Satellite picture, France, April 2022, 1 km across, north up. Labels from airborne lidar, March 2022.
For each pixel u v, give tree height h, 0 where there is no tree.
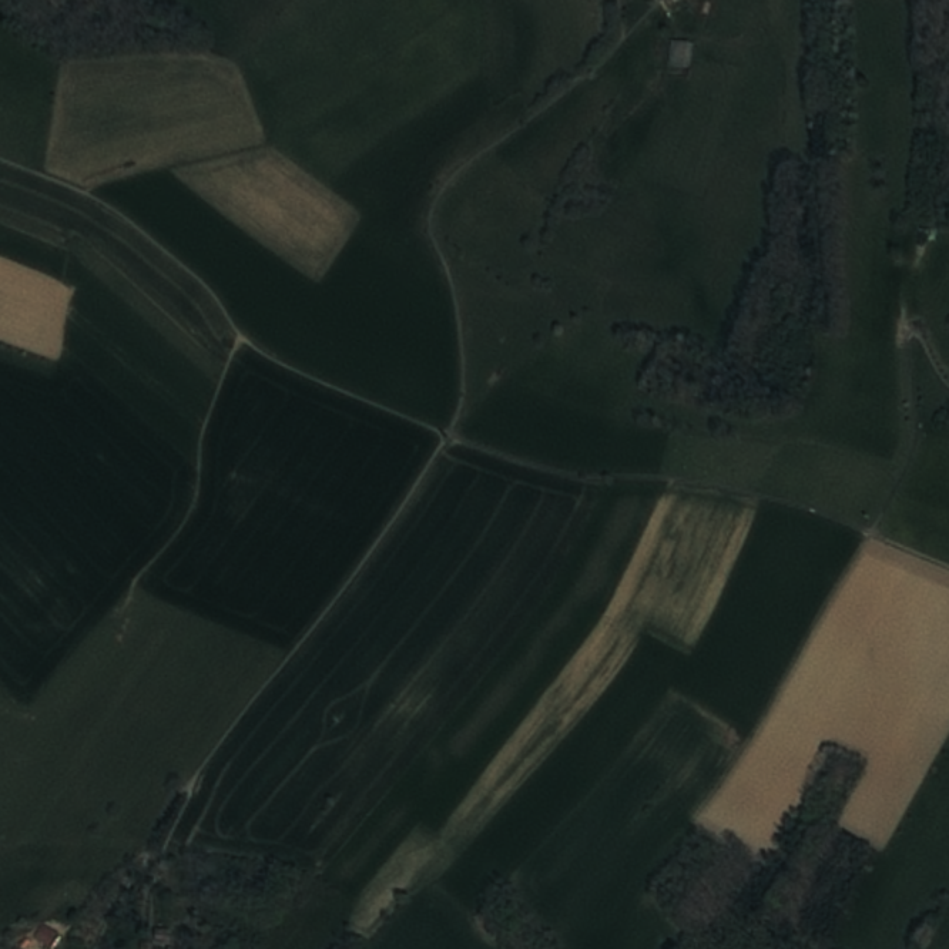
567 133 0
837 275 19
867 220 0
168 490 0
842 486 0
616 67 0
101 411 0
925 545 0
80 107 0
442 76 0
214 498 0
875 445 0
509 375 0
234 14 0
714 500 0
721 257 0
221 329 0
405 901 13
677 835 0
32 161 0
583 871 0
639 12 0
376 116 0
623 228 0
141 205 0
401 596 0
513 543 0
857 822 0
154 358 0
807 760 0
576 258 0
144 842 0
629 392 0
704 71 0
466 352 0
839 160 16
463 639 0
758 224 0
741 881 26
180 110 0
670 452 0
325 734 0
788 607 0
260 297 0
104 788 0
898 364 0
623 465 0
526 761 0
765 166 0
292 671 0
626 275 0
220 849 0
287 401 0
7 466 0
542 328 0
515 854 0
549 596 0
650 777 0
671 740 0
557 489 0
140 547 0
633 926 0
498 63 0
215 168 0
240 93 0
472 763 0
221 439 0
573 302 0
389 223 0
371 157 0
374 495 0
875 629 0
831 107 22
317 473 0
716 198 0
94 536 0
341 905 0
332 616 0
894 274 0
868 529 0
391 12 0
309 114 0
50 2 28
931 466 0
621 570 0
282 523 0
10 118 0
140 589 0
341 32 0
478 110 0
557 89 19
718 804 0
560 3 0
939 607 0
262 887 15
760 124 0
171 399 0
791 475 0
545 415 0
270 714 0
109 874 0
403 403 0
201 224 0
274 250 0
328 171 0
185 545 0
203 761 0
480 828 0
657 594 0
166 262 0
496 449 0
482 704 0
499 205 0
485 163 0
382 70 0
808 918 22
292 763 0
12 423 0
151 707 0
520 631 0
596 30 0
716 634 0
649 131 0
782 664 0
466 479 0
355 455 0
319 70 0
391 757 0
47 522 0
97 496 0
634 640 0
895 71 0
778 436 0
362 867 0
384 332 0
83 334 0
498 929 19
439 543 0
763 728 0
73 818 0
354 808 0
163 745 0
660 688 0
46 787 0
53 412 0
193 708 0
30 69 0
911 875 0
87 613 0
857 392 0
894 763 0
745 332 29
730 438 12
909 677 0
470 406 0
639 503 0
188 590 0
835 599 0
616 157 0
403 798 0
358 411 0
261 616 0
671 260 0
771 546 0
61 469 0
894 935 0
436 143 0
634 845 0
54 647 0
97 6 22
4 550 0
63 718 0
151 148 0
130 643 0
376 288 0
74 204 0
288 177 0
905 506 0
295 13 0
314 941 0
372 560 0
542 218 0
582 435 0
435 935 0
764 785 0
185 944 17
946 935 0
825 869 26
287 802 0
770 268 23
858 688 0
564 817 0
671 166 0
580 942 0
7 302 0
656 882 16
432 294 0
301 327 0
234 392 0
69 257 0
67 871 0
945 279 0
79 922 20
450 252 0
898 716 0
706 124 0
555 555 0
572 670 0
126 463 0
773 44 0
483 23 0
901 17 0
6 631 0
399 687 0
